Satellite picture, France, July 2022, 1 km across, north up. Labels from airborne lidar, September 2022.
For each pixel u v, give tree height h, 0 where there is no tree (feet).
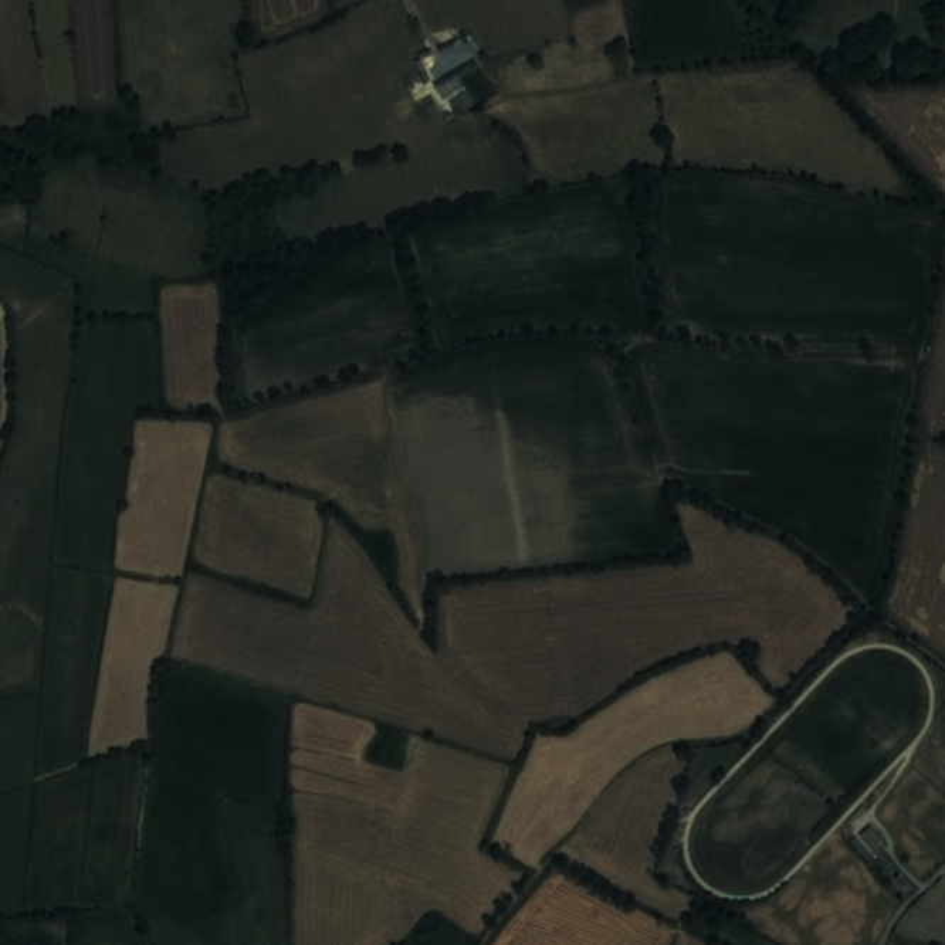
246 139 0
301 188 36
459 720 0
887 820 0
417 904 0
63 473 0
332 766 0
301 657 0
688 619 0
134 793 0
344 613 0
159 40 0
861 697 0
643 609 0
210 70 0
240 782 0
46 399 0
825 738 0
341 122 0
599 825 0
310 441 0
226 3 0
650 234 53
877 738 0
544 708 0
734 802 0
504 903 52
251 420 0
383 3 0
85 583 0
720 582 0
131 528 0
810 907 0
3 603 0
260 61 0
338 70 0
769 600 0
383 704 0
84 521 0
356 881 0
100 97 0
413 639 0
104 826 0
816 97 0
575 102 0
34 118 41
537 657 0
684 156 0
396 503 0
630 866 0
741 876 0
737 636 0
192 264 0
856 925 0
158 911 0
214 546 0
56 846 0
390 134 0
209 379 0
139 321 21
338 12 23
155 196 0
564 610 0
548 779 0
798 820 0
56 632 0
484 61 33
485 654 0
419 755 0
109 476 0
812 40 0
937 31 79
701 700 0
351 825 0
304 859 0
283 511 0
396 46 0
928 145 0
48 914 31
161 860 0
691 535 0
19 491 0
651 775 0
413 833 0
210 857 0
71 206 0
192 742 0
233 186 38
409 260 50
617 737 0
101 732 0
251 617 0
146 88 0
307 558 0
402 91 0
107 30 0
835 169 0
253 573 0
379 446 0
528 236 0
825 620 0
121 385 0
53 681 0
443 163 0
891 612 0
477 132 0
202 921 0
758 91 0
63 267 0
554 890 0
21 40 0
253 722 0
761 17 31
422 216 79
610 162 0
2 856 0
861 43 88
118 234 0
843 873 0
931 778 0
